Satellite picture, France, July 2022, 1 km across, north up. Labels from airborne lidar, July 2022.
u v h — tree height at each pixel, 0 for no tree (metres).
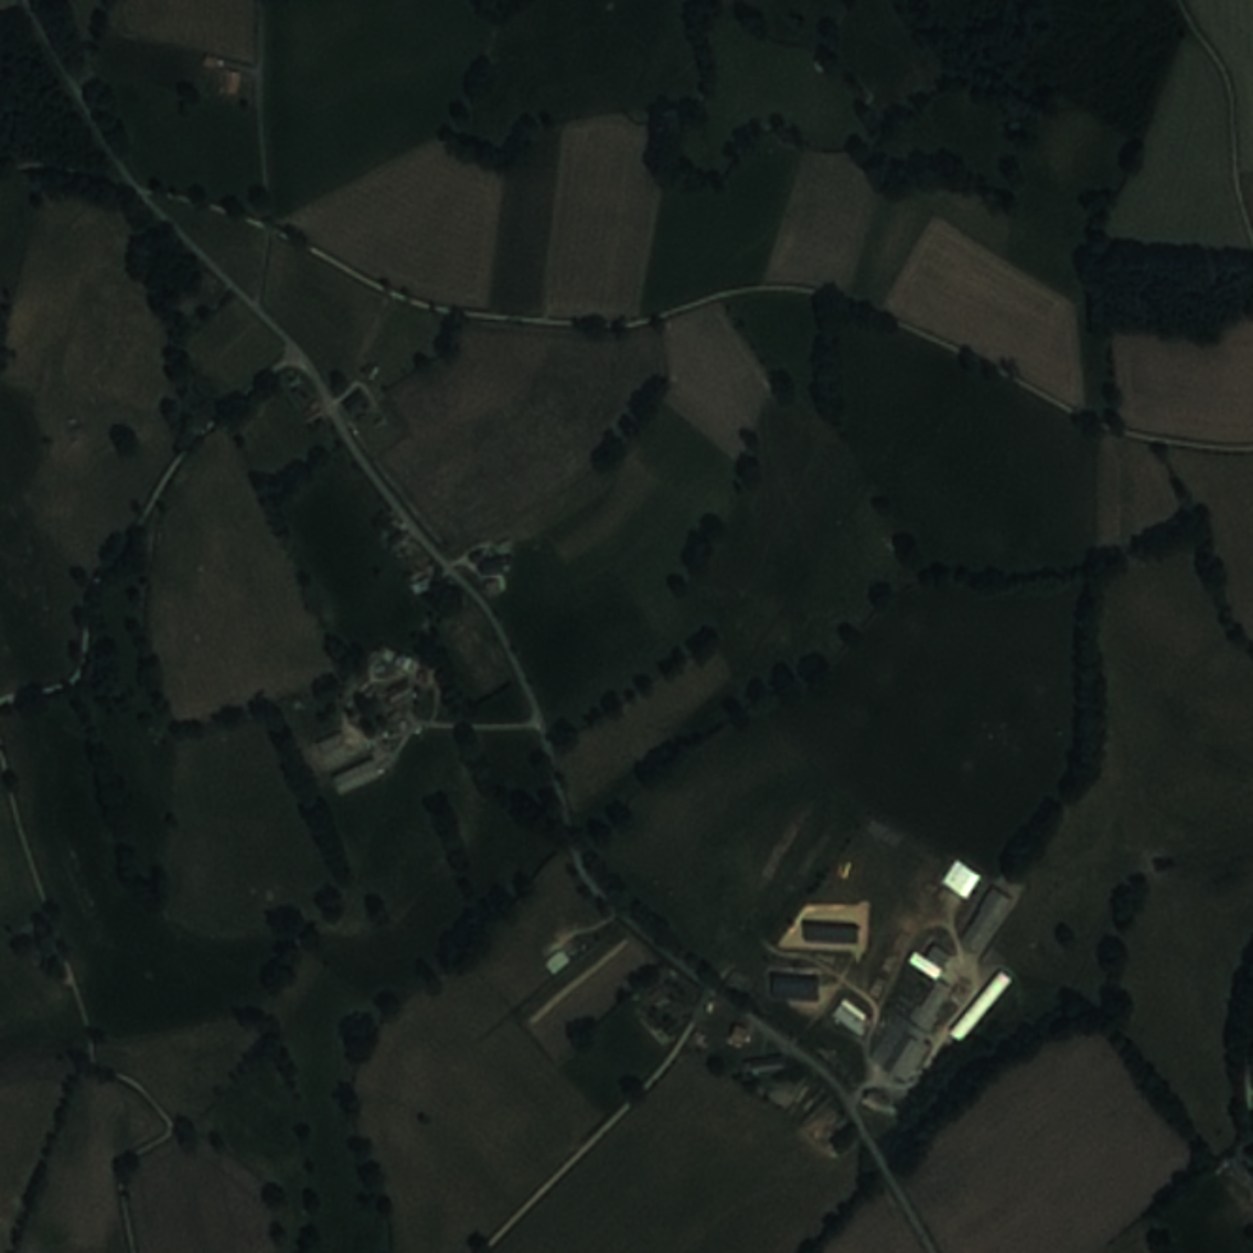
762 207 0
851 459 0
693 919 0
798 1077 5
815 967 0
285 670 0
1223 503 0
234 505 0
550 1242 0
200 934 0
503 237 0
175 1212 0
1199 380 0
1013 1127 0
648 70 0
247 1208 0
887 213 0
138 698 9
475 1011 0
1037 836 20
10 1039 0
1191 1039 0
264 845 0
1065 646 0
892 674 0
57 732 0
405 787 0
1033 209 0
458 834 25
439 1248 0
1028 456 0
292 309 0
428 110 0
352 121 0
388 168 0
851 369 0
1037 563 0
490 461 0
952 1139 0
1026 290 0
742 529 0
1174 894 0
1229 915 0
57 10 16
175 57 0
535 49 0
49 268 0
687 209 0
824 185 0
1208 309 22
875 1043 0
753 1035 0
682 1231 0
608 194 0
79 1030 0
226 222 0
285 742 26
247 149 0
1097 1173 0
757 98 0
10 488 0
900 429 0
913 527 0
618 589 0
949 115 0
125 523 0
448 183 0
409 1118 0
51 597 0
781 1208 0
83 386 0
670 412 0
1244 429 0
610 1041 0
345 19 0
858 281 0
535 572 0
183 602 0
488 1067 0
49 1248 0
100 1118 0
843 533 0
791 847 0
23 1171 0
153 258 15
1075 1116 0
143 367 0
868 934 0
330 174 0
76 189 19
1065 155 0
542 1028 0
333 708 18
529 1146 0
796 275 0
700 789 0
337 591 0
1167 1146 0
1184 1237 0
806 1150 0
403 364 0
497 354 0
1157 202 0
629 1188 0
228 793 0
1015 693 0
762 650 0
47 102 7
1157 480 0
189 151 0
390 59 0
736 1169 0
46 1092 0
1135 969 0
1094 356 0
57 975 11
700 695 0
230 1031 0
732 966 0
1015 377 13
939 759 0
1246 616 0
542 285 0
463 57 0
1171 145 0
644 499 0
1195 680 0
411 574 6
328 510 0
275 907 0
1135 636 0
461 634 0
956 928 0
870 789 0
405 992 0
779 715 0
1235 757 0
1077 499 0
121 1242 0
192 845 0
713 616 0
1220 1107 0
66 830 0
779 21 0
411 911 0
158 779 0
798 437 0
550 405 0
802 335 0
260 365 0
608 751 0
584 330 11
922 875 0
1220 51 0
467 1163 0
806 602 0
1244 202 0
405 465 0
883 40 0
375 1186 19
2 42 13
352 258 0
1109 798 0
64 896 0
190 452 19
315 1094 0
